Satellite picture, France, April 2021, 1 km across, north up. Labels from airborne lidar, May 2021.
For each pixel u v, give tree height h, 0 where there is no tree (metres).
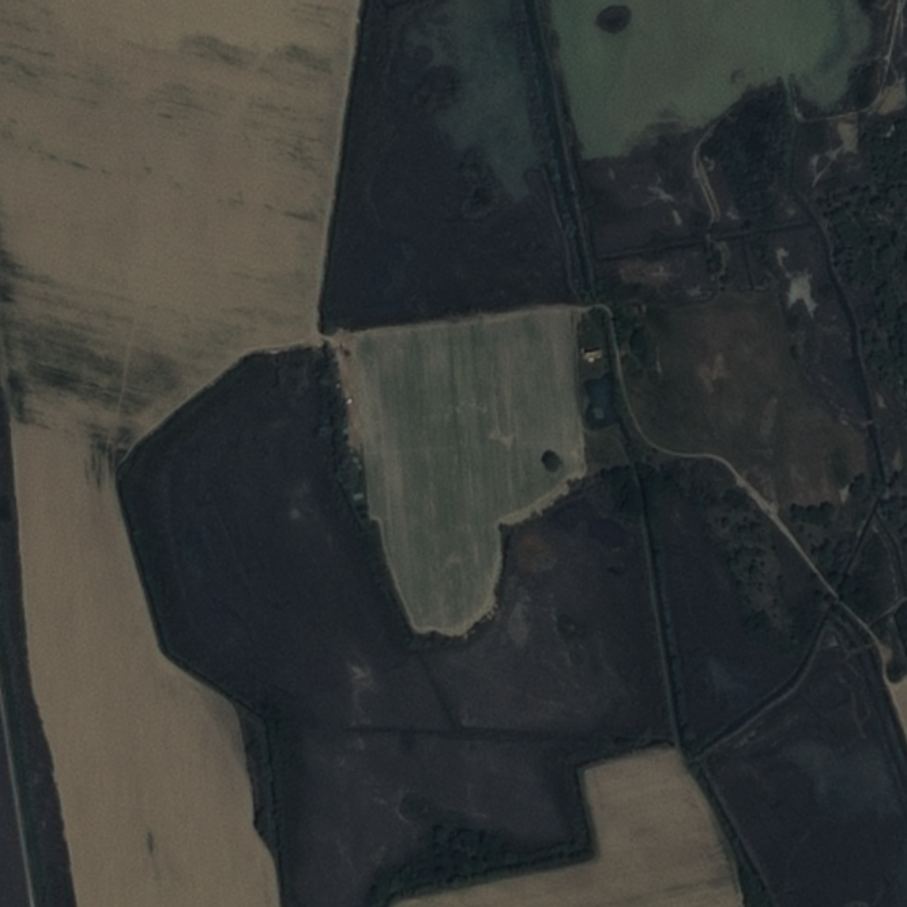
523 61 7
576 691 0
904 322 9
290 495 0
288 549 0
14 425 0
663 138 0
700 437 0
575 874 0
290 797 0
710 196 0
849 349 0
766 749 0
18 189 0
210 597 0
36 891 0
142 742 0
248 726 0
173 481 0
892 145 6
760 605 0
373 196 0
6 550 0
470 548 0
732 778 0
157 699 0
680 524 0
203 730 0
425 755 0
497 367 0
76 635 0
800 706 0
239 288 0
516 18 7
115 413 0
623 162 0
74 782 0
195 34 0
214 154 0
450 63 0
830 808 0
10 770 0
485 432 0
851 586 10
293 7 0
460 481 0
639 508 8
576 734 0
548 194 0
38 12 0
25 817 0
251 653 0
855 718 0
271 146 0
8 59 0
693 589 0
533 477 0
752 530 6
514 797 0
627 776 0
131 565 0
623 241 0
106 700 0
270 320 0
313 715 0
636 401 0
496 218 0
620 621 0
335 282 0
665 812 0
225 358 0
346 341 0
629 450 7
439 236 0
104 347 0
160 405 0
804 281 0
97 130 0
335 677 0
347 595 0
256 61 0
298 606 0
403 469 0
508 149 0
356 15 0
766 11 0
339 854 0
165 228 0
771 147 6
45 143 0
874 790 0
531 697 0
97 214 0
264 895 0
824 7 0
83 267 0
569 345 0
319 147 0
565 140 0
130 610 0
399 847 0
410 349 0
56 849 0
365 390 0
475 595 0
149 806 0
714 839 0
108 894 0
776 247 0
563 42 0
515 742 0
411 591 0
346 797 0
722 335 0
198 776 0
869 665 0
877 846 0
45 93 0
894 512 9
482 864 8
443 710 0
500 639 0
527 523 0
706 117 0
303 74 0
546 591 0
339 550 0
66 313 0
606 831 0
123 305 0
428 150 0
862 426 0
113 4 0
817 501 0
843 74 0
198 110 0
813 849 0
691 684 0
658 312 0
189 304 0
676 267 0
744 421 0
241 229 0
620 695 0
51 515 0
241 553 0
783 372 0
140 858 0
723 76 0
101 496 0
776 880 0
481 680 0
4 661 0
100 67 0
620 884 0
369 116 0
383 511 0
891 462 0
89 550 0
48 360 0
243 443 0
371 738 0
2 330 0
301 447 0
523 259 0
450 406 0
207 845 0
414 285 0
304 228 0
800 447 0
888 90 0
